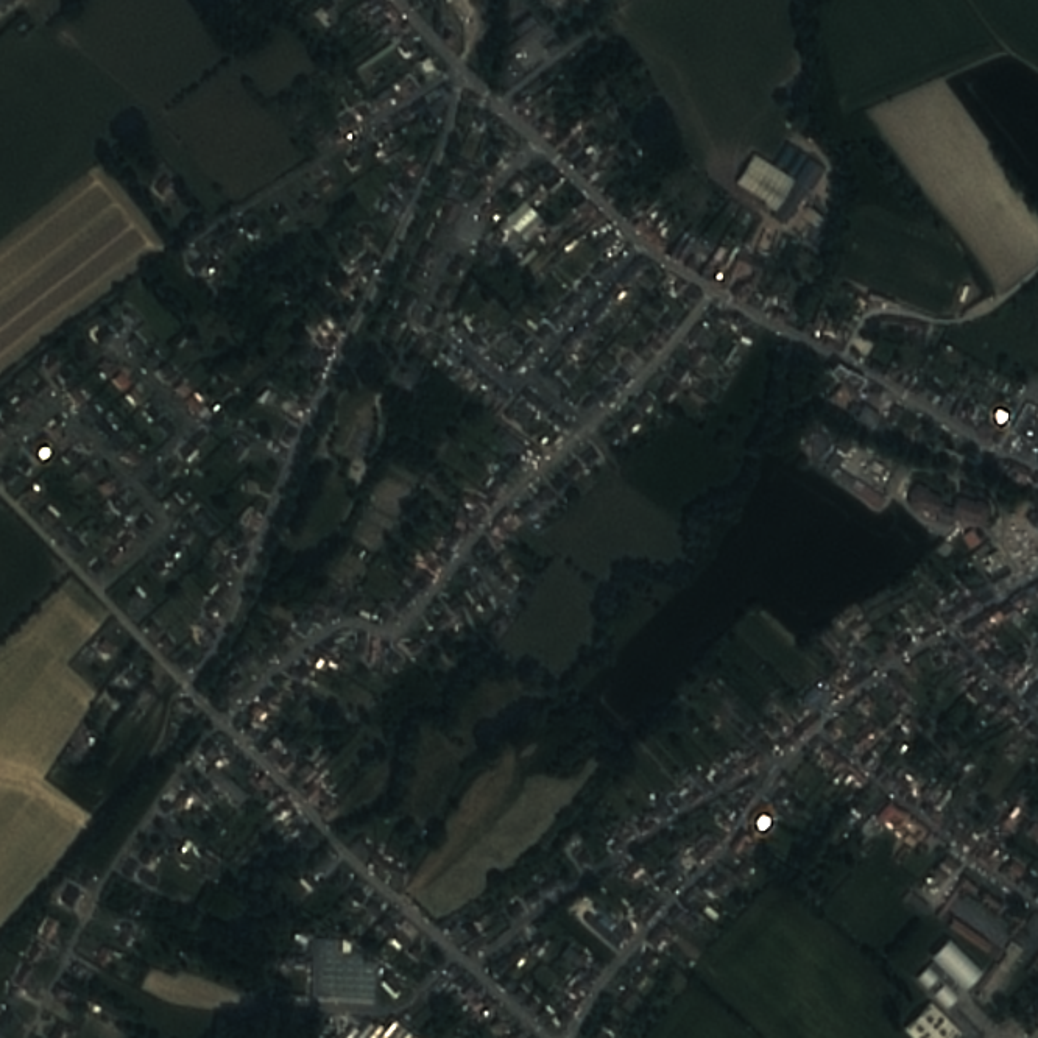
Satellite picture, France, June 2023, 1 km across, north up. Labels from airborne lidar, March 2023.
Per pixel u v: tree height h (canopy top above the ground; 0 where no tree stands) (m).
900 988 9
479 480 0
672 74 0
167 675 0
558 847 10
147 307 0
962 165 0
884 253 0
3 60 0
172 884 0
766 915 0
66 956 0
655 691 0
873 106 0
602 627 7
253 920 15
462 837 0
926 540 0
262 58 0
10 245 0
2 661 0
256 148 0
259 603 6
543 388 0
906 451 18
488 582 0
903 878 0
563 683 12
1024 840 0
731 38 0
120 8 0
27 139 0
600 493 0
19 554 0
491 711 0
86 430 0
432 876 0
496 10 14
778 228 0
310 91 14
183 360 0
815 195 0
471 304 0
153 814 0
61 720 0
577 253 0
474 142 0
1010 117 0
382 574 0
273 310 8
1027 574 0
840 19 0
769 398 10
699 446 0
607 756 18
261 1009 23
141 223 0
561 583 0
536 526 0
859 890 0
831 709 0
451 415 8
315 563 19
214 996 0
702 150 0
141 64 0
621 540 0
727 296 0
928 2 0
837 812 13
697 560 17
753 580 0
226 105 0
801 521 0
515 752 0
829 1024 0
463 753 0
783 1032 0
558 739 0
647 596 11
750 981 0
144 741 0
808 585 0
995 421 0
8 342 0
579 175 0
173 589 16
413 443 20
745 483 20
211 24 31
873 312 0
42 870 0
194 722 11
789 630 0
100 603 0
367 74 0
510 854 0
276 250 12
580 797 7
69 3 13
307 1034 30
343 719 13
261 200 0
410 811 0
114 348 0
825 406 16
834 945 0
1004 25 0
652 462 0
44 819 0
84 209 0
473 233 0
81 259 0
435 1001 13
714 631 0
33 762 0
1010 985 0
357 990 0
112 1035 0
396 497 0
